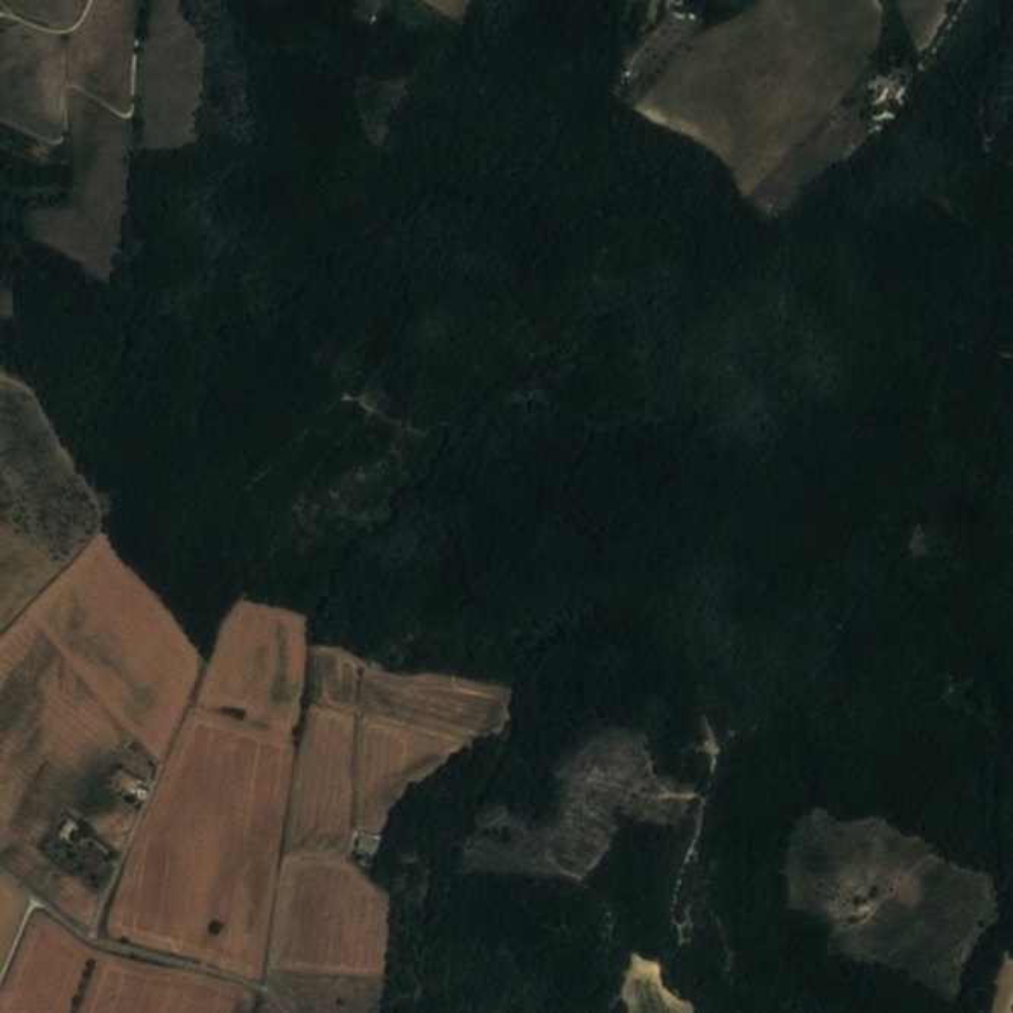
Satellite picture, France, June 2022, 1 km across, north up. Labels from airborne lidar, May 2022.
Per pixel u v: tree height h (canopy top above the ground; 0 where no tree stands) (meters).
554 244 7
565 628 19
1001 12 8
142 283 10
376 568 13
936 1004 22
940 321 12
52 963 0
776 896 18
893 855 0
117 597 0
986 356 8
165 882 0
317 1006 0
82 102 0
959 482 8
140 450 10
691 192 12
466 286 8
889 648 20
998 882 13
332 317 15
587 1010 11
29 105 0
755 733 8
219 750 0
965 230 12
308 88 9
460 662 13
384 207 12
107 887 0
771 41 0
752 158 0
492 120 8
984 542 9
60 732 0
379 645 10
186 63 0
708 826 12
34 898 0
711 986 12
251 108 9
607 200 11
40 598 0
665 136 13
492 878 7
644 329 10
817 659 7
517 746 15
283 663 0
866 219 8
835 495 9
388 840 12
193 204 8
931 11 0
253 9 7
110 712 0
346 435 8
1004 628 9
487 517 13
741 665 7
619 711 17
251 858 0
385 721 0
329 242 11
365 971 0
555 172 13
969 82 11
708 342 6
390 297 9
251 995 0
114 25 0
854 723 7
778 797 15
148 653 0
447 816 13
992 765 20
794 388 8
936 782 11
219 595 10
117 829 0
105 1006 0
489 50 7
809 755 10
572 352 7
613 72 12
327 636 13
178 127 0
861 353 7
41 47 0
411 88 9
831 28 0
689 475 18
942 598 11
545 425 14
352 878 0
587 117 9
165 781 0
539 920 6
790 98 0
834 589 8
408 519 10
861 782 10
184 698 0
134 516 10
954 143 9
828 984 14
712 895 12
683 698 12
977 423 10
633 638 10
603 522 16
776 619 14
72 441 9
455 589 5
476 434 7
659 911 10
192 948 0
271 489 7
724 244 11
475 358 12
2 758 0
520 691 11
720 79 0
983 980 14
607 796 0
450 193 15
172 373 13
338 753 0
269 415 8
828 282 9
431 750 0
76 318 17
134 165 9
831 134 0
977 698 17
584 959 16
